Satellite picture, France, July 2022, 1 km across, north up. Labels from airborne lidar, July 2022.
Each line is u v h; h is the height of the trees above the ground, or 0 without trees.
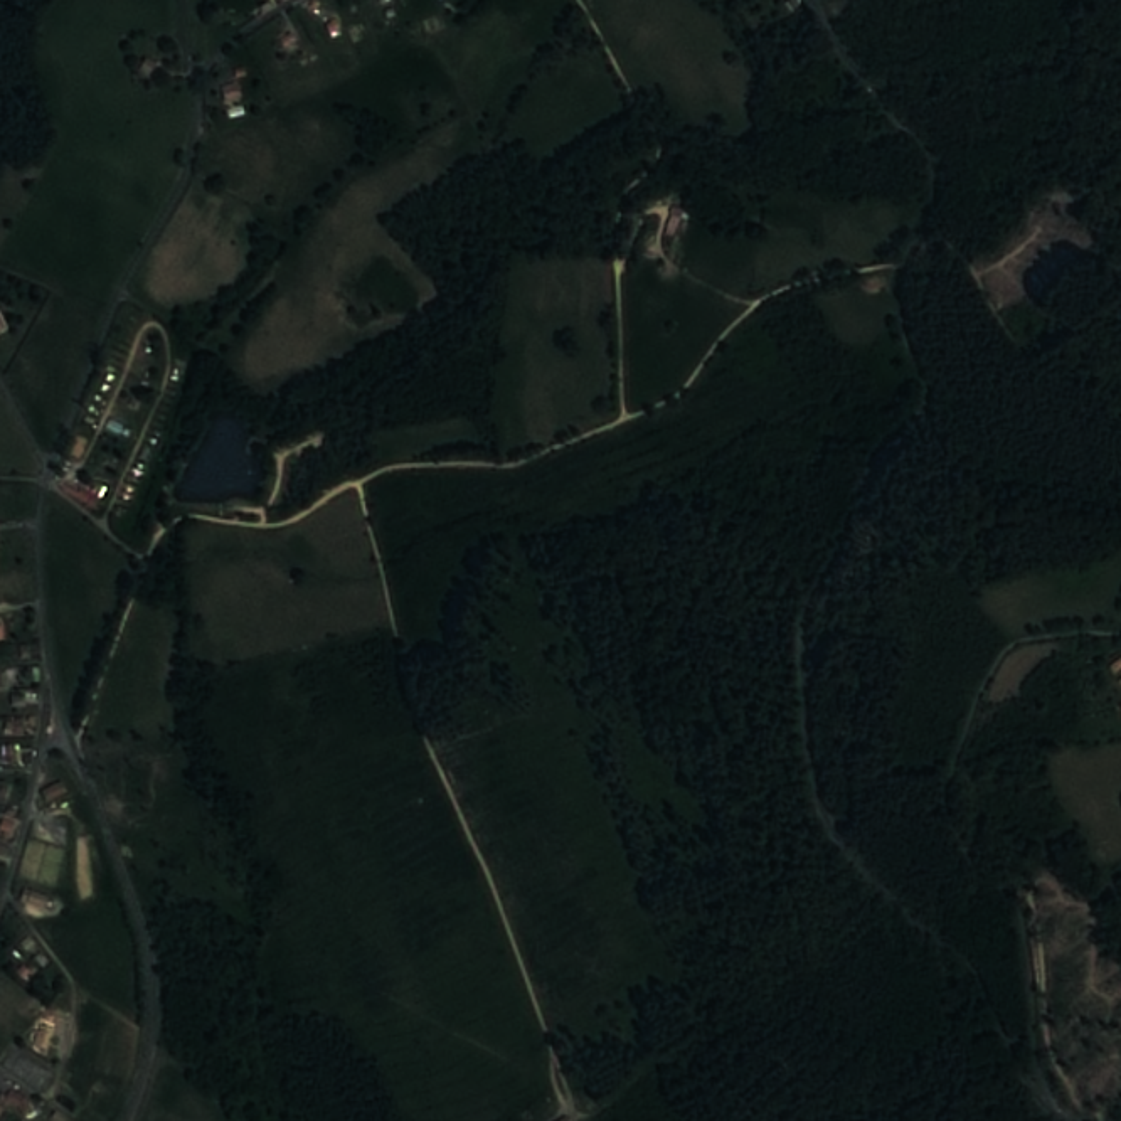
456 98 0
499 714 0
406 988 0
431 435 0
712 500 11
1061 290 38
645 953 0
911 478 34
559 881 0
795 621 22
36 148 26
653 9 0
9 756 0
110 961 0
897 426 9
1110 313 15
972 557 14
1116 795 0
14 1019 0
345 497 0
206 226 0
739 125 0
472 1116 0
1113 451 21
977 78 17
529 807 0
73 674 0
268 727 0
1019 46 20
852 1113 17
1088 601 0
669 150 25
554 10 0
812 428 8
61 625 0
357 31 0
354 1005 0
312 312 0
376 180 0
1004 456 21
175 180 0
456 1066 0
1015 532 24
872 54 14
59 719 0
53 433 0
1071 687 5
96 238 0
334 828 0
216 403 16
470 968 0
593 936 0
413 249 14
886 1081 18
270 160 0
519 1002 0
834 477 13
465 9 16
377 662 8
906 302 24
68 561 0
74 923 0
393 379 16
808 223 0
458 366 7
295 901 0
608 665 35
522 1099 0
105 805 0
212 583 0
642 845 38
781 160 26
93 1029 0
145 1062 0
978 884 15
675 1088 18
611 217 7
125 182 0
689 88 0
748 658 19
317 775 0
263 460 14
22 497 0
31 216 0
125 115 0
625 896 0
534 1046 0
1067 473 19
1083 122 17
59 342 0
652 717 26
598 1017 0
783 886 28
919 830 21
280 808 0
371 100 0
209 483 0
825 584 18
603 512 0
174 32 0
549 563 10
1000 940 21
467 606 33
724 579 22
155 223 0
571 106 0
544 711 0
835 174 20
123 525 0
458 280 20
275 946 0
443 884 0
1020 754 12
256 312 16
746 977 24
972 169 18
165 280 0
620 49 0
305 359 0
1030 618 0
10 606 0
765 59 23
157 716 0
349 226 0
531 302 0
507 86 0
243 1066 11
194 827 0
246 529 0
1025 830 8
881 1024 20
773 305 9
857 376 10
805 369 10
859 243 0
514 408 0
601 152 24
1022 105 15
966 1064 23
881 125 18
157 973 14
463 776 0
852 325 0
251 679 0
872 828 19
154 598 23
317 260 0
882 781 17
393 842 0
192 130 0
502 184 20
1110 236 21
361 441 10
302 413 8
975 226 18
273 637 0
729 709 27
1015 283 0
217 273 0
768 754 24
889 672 21
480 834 0
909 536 29
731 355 13
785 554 13
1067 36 15
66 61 0
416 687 29
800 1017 19
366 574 0
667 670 25
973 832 10
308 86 0
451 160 0
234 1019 17
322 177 0
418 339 17
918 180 26
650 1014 35
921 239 18
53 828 0
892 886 15
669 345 0
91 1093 0
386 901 0
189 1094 0
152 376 11
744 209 12
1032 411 22
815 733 17
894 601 22
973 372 22
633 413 0
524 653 0
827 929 25
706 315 0
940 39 12
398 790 0
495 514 5
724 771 26
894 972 21
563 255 14
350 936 0
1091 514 31
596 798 0
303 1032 13
